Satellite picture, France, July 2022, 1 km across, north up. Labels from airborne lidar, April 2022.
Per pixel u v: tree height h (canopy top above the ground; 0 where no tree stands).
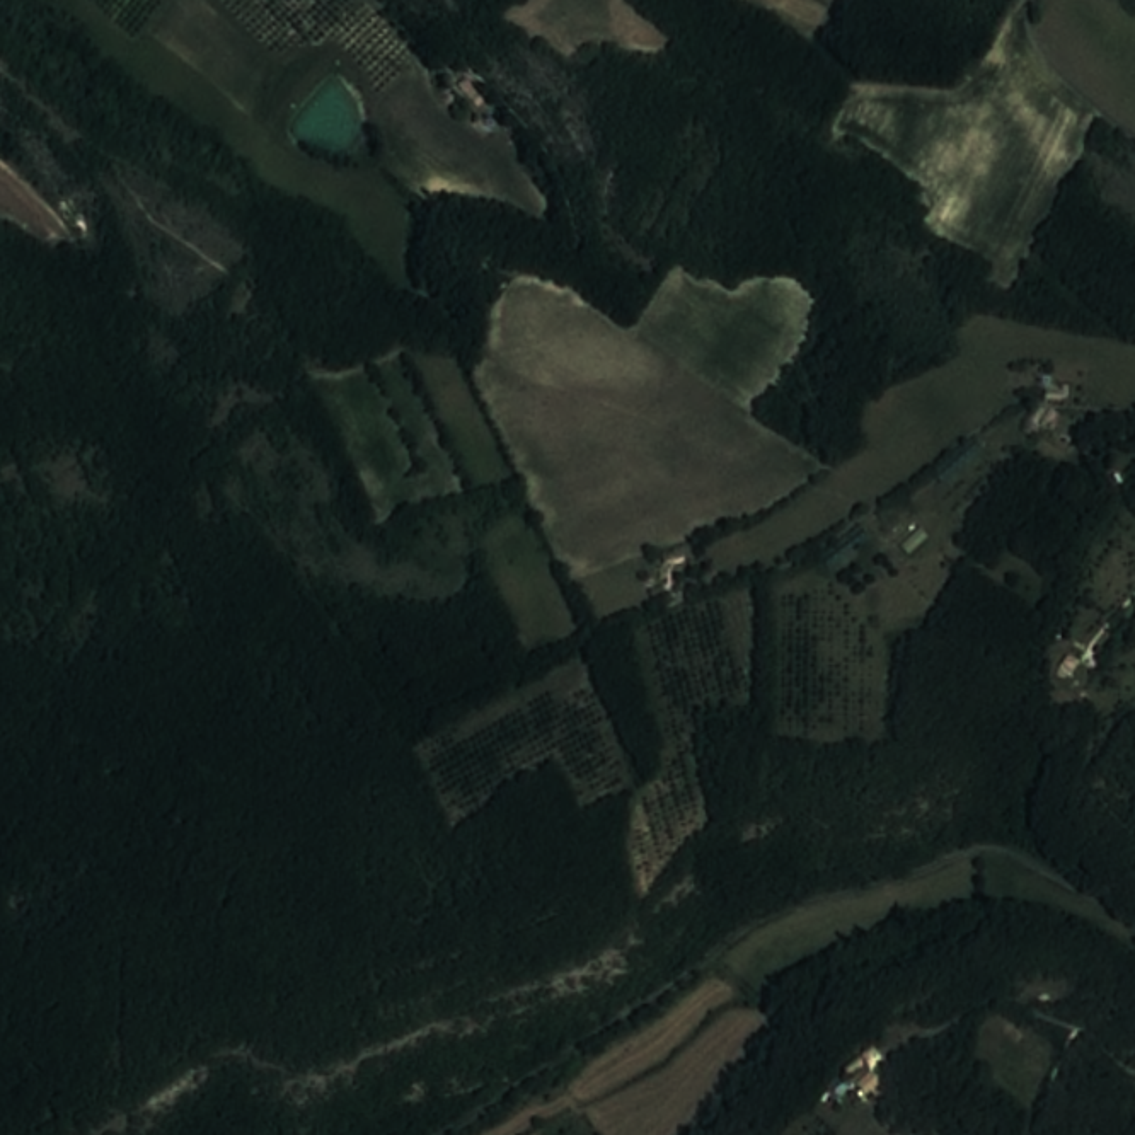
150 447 22
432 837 13
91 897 13
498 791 6
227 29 0
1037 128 0
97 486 7
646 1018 17
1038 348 0
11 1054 15
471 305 14
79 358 13
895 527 0
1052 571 8
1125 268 15
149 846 11
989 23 7
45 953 14
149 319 8
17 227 11
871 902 0
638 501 0
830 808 10
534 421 0
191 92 0
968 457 0
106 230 7
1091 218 11
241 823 11
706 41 13
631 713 15
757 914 24
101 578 9
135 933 10
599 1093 0
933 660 19
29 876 12
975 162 0
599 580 0
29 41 7
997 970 8
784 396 11
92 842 10
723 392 0
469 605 14
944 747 13
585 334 0
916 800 9
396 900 14
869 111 0
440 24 13
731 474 0
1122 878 17
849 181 14
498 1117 14
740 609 0
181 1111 8
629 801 14
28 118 7
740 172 8
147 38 0
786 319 0
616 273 8
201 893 13
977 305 16
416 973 10
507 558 0
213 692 11
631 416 0
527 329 0
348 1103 7
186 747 18
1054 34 0
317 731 14
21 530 10
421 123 0
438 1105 10
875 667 0
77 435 10
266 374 12
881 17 18
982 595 13
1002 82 0
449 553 0
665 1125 0
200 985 11
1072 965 8
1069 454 0
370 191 0
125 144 11
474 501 11
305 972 12
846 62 16
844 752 13
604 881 11
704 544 13
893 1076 16
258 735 16
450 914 13
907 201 12
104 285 17
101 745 19
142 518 13
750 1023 0
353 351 12
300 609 17
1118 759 11
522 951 12
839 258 10
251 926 14
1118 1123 17
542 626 0
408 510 15
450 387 0
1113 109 0
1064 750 16
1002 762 17
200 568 13
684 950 11
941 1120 13
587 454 0
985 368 0
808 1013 16
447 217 17
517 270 7
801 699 6
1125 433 18
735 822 8
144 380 14
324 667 20
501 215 15
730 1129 20
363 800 15
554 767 14
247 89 0
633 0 10
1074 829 11
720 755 8
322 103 0
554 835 14
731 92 10
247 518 12
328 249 12
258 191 11
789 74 16
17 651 11
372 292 12
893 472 0
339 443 14
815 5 0
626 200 6
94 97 19
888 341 12
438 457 0
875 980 12
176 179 10
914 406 0
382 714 13
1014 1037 0
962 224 0
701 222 11
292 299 9
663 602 11
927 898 0
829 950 6
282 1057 10
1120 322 13
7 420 14
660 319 0
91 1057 11
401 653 19
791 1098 16
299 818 13
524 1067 11
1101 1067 13
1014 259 0
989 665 19
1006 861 0
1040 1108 13
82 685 16
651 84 9
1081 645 0
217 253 0
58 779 8
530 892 13
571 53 0
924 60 18
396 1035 8
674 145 8
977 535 9
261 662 15
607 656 15
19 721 13
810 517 0
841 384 16
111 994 9
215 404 7
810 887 15
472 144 0
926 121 0
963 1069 15
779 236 13
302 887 12
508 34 8
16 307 10
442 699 11
